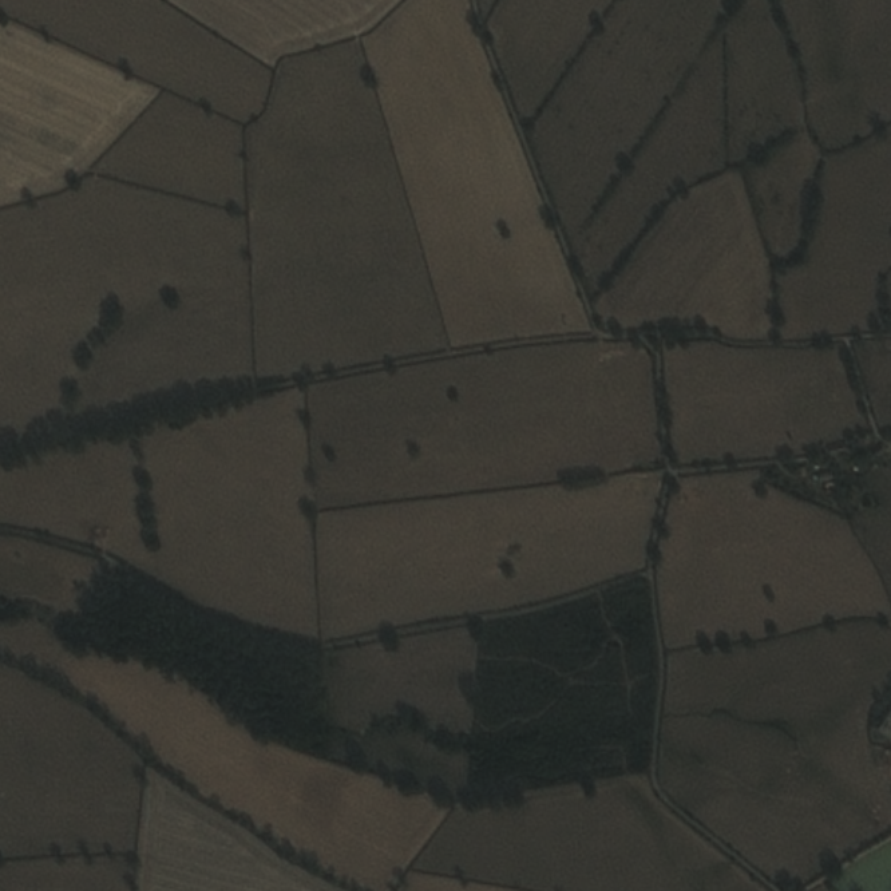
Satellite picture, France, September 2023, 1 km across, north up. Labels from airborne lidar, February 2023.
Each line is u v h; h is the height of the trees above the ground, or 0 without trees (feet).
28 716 0
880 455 0
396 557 0
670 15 0
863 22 0
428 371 0
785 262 28
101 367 0
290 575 0
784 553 0
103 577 58
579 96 0
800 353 0
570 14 0
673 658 0
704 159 0
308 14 0
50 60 0
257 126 0
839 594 0
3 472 0
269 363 0
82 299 0
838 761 0
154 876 0
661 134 0
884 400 0
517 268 0
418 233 0
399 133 0
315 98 0
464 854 0
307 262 0
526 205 0
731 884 0
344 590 0
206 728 0
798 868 0
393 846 0
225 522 0
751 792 0
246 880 0
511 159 0
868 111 0
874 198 0
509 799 84
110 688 0
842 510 20
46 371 0
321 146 0
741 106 0
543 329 0
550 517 0
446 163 0
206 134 0
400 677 0
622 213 0
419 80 0
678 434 0
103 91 0
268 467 0
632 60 0
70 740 0
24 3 0
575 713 0
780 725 0
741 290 0
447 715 0
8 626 0
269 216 0
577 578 0
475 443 0
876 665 0
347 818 0
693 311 0
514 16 0
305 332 0
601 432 0
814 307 0
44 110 0
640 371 0
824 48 0
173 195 0
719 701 0
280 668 55
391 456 0
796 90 0
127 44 0
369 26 0
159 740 0
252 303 0
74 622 42
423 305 0
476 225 0
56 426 75
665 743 0
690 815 23
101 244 0
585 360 0
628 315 0
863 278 0
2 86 0
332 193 0
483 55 0
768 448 0
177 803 0
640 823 0
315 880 0
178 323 0
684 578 0
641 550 0
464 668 0
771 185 0
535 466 0
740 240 0
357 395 0
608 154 0
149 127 0
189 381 0
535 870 0
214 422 0
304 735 76
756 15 0
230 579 0
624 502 0
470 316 0
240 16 0
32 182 0
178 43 0
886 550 0
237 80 0
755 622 0
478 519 0
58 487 0
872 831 0
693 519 0
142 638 87
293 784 0
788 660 0
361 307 0
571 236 0
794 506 0
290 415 0
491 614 0
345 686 0
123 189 0
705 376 0
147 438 0
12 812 0
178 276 0
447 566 0
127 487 0
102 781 0
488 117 0
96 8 0
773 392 0
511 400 0
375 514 0
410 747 0
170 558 0
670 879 0
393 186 0
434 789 45
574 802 0
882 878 0
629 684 0
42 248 0
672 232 0
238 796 0
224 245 0
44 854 0
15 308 0
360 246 0
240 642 56
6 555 0
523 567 0
